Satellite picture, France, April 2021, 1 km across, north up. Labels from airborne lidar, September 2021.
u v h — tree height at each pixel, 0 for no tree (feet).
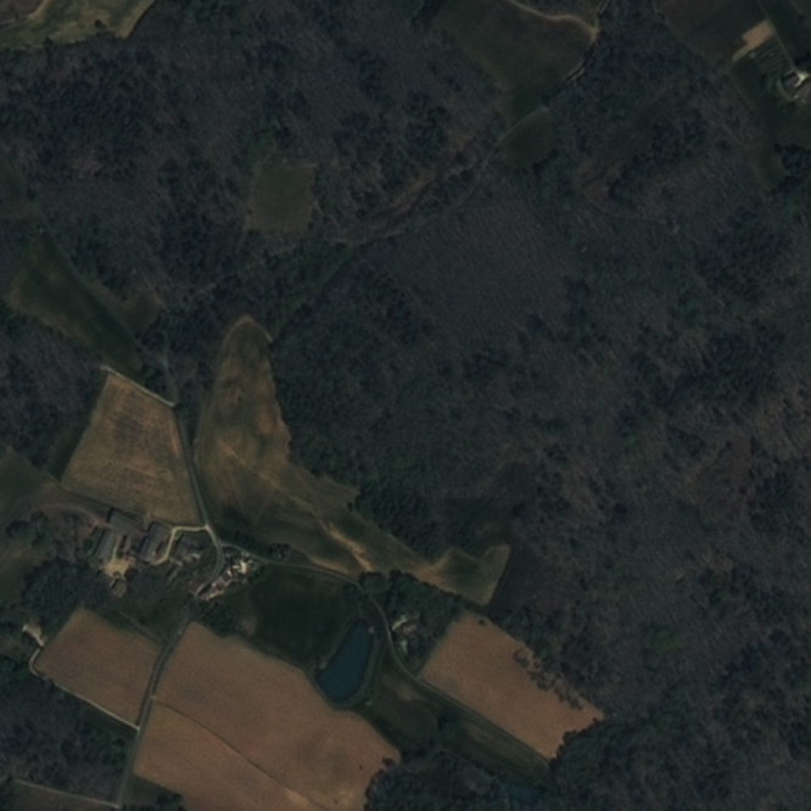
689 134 79
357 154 30
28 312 0
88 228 54
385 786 78
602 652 53
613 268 70
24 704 49
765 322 61
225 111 52
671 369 59
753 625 32
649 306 56
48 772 42
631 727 41
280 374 65
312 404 78
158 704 0
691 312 63
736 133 70
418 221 75
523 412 57
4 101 25
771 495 59
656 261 56
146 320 0
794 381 55
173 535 0
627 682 47
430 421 59
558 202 54
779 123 0
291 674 0
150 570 51
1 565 0
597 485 54
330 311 55
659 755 62
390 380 50
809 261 58
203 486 0
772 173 0
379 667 0
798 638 48
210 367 49
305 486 0
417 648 52
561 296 66
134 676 0
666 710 61
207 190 57
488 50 0
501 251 59
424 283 69
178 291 32
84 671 0
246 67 31
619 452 53
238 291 86
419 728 0
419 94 49
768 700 44
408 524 82
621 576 53
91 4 0
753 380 73
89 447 0
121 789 67
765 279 75
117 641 0
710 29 0
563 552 43
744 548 56
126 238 59
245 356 0
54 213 38
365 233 33
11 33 0
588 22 0
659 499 69
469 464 62
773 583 50
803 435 64
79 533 28
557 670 74
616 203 47
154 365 44
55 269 0
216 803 0
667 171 97
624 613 58
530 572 0
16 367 46
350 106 50
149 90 69
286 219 0
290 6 49
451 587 0
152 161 51
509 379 51
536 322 62
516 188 58
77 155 26
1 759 65
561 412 58
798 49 0
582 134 77
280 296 57
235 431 0
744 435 51
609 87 75
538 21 0
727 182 76
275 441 0
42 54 24
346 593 20
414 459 62
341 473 56
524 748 0
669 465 63
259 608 0
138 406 0
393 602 52
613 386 57
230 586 18
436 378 45
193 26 53
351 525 0
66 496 0
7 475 0
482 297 64
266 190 0
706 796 88
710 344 55
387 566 0
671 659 48
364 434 74
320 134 46
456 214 55
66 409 52
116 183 38
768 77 27
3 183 0
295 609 0
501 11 0
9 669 60
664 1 0
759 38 0
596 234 60
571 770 66
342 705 0
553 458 78
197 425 23
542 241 56
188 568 35
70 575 77
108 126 67
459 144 31
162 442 0
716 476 24
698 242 56
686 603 51
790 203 62
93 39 26
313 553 0
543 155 0
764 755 52
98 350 0
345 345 62
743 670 27
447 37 48
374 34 55
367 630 0
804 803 70
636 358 62
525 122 0
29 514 0
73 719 40
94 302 0
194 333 67
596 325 64
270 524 0
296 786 0
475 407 52
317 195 54
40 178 43
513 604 0
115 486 0
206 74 49
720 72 42
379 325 73
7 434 59
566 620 57
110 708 0
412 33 44
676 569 60
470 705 0
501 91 37
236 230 19
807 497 44
